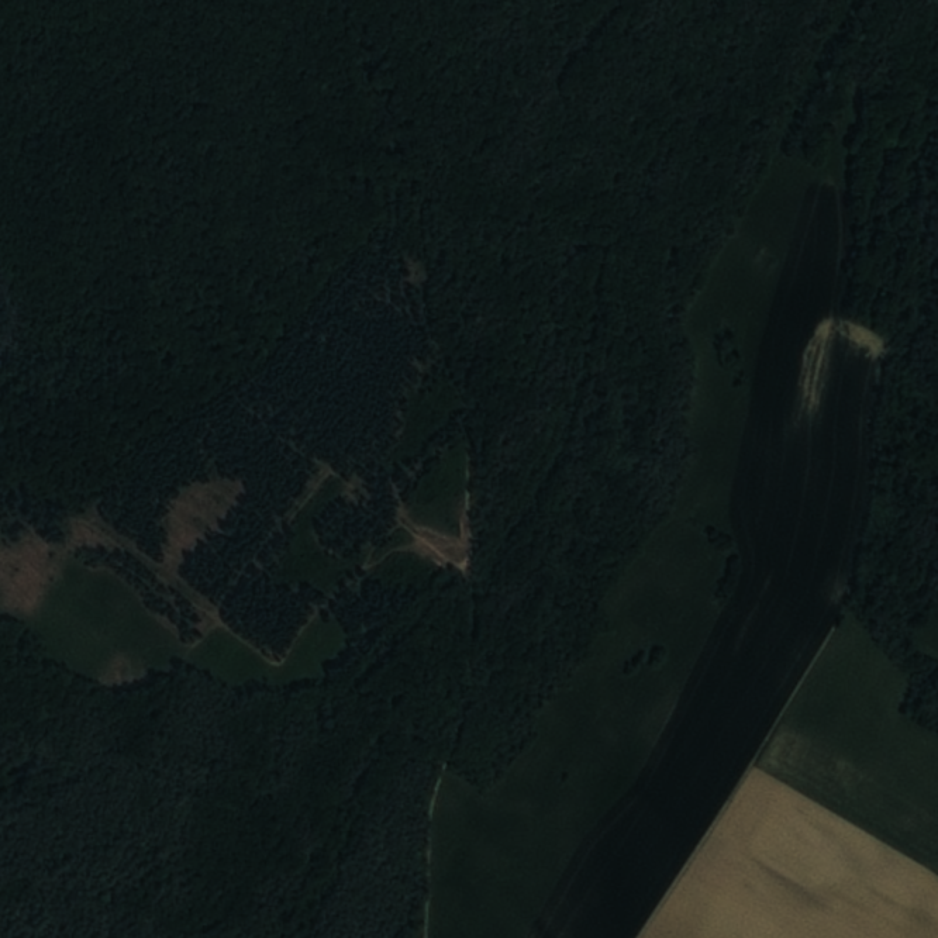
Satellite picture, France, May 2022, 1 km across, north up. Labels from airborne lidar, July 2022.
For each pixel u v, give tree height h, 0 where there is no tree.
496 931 0
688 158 21
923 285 17
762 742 0
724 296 0
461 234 27
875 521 18
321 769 23
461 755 15
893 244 27
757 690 0
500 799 0
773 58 24
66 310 13
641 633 0
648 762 0
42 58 24
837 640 0
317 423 21
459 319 16
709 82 21
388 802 25
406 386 20
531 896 0
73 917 20
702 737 0
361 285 18
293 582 6
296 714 18
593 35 19
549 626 22
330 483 7
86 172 22
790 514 0
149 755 25
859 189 22
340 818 21
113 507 15
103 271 17
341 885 24
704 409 0
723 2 24
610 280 25
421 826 20
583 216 19
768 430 0
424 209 14
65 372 22
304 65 23
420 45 16
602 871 0
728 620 0
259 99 20
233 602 20
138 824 22
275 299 19
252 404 15
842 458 0
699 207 18
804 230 0
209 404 13
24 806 22
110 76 21
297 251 25
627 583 0
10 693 22
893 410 15
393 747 22
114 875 19
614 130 20
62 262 15
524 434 20
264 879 26
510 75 19
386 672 23
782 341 0
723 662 0
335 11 24
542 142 21
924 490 27
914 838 0
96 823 21
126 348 20
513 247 22
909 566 29
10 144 19
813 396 0
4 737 24
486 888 0
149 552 20
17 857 21
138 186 16
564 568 20
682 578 0
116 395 22
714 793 0
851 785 0
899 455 22
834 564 0
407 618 11
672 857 0
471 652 23
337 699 22
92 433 20
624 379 21
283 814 26
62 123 20
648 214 22
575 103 19
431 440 16
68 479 12
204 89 21
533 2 20
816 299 0
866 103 26
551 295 18
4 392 26
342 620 17
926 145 19
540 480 16
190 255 19
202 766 20
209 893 23
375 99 23
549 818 0
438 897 0
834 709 0
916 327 18
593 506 22
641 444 26
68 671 19
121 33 23
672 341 20
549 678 24
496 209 23
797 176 0
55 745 24
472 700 13
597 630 18
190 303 17
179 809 23
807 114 30
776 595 0
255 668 0
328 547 21
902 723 0
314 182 22
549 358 17
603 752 0
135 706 21
